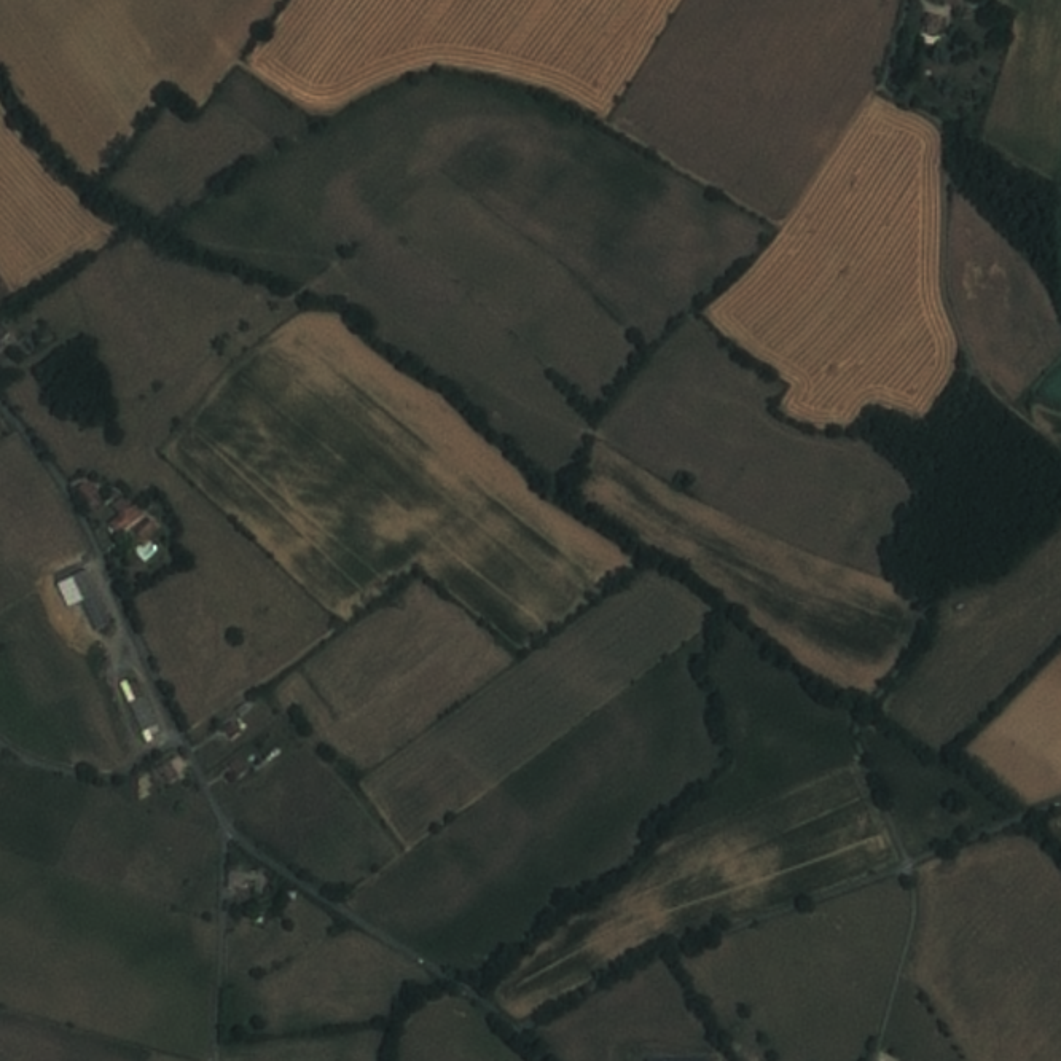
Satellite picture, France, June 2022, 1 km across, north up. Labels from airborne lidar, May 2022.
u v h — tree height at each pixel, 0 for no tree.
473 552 0
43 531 0
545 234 0
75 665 0
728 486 0
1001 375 0
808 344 0
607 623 0
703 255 0
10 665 0
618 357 0
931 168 0
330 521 0
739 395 0
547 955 0
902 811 0
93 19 0
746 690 0
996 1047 0
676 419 0
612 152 0
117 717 0
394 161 0
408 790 0
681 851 0
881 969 0
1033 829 18
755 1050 0
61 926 0
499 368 0
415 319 0
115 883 0
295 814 0
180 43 0
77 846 0
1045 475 18
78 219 0
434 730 0
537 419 0
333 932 14
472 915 0
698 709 0
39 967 0
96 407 17
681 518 0
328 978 0
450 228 0
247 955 0
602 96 0
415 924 0
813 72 0
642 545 13
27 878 0
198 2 0
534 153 0
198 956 0
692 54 0
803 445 0
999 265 0
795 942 0
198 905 0
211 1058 0
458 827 0
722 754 10
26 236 0
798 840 0
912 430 15
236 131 0
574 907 24
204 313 0
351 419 0
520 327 0
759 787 0
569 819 0
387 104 0
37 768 0
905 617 0
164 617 0
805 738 0
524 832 0
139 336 0
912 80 19
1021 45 0
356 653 0
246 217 0
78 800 0
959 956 0
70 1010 0
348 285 0
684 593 0
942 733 0
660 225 0
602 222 0
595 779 0
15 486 0
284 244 0
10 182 0
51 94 0
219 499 0
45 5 0
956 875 0
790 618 0
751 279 0
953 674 0
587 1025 0
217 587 0
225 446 0
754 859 0
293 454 0
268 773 0
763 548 0
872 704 16
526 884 0
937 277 0
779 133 0
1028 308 0
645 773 0
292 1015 0
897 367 0
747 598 0
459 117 0
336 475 0
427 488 0
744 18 0
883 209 0
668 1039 0
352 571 0
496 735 0
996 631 0
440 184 0
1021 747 0
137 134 8
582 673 0
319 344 0
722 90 0
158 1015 0
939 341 0
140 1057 0
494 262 0
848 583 0
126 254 0
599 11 0
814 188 0
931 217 0
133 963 0
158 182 0
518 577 0
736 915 0
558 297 0
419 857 0
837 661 0
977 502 20
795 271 0
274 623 0
